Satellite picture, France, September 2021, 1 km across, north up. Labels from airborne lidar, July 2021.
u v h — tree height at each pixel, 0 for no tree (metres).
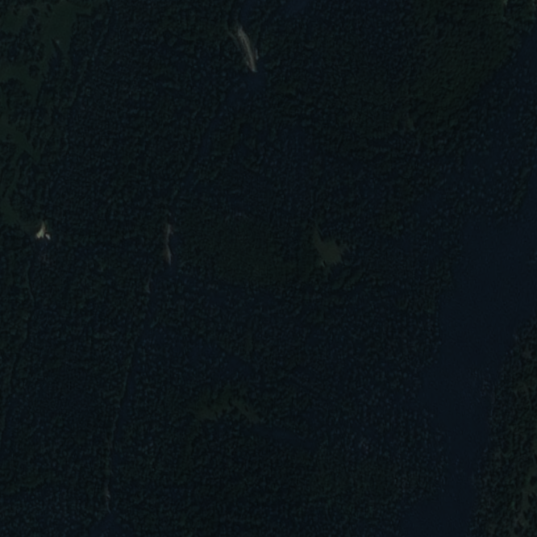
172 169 23
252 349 15
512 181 23
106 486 13
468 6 23
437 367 11
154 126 26
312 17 22
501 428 7
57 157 8
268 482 23
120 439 20
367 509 24
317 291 9
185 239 21
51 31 0
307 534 22
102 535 31
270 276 21
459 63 24
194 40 21
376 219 27
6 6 14
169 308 23
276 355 24
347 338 23
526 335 10
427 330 28
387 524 17
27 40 12
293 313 28
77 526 27
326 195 24
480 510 10
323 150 27
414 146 16
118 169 28
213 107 20
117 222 19
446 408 13
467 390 6
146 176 23
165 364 26
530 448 22
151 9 19
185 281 27
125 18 23
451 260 24
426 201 24
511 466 14
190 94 24
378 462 15
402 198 24
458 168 28
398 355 26
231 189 17
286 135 21
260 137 13
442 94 28
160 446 22
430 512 15
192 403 22
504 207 22
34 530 18
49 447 27
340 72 20
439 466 19
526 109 30
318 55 18
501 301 12
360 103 19
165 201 21
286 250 9
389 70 19
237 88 31
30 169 8
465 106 22
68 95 21
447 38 30
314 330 26
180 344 29
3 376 26
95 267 7
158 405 24
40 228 0
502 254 24
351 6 28
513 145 30
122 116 22
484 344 12
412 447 15
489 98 35
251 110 31
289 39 21
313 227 11
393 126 20
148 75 13
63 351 21
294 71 20
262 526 18
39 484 14
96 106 19
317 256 14
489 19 31
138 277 19
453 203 28
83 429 25
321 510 27
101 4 10
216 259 20
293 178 23
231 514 30
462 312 19
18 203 7
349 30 23
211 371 19
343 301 25
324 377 20
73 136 20
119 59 21
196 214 21
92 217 20
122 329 18
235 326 23
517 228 23
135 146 23
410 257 22
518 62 31
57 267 19
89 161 21
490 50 28
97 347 29
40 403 19
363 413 28
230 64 25
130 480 23
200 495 27
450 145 28
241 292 29
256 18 25
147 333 22
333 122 20
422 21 26
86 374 21
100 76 18
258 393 24
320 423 19
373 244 24
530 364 10
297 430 10
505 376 6
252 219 19
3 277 28
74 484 18
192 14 25
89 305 23
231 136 25
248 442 25
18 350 14
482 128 31
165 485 23
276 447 26
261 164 13
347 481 16
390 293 20
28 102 13
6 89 14
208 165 24
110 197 25
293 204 15
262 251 19
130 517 20
